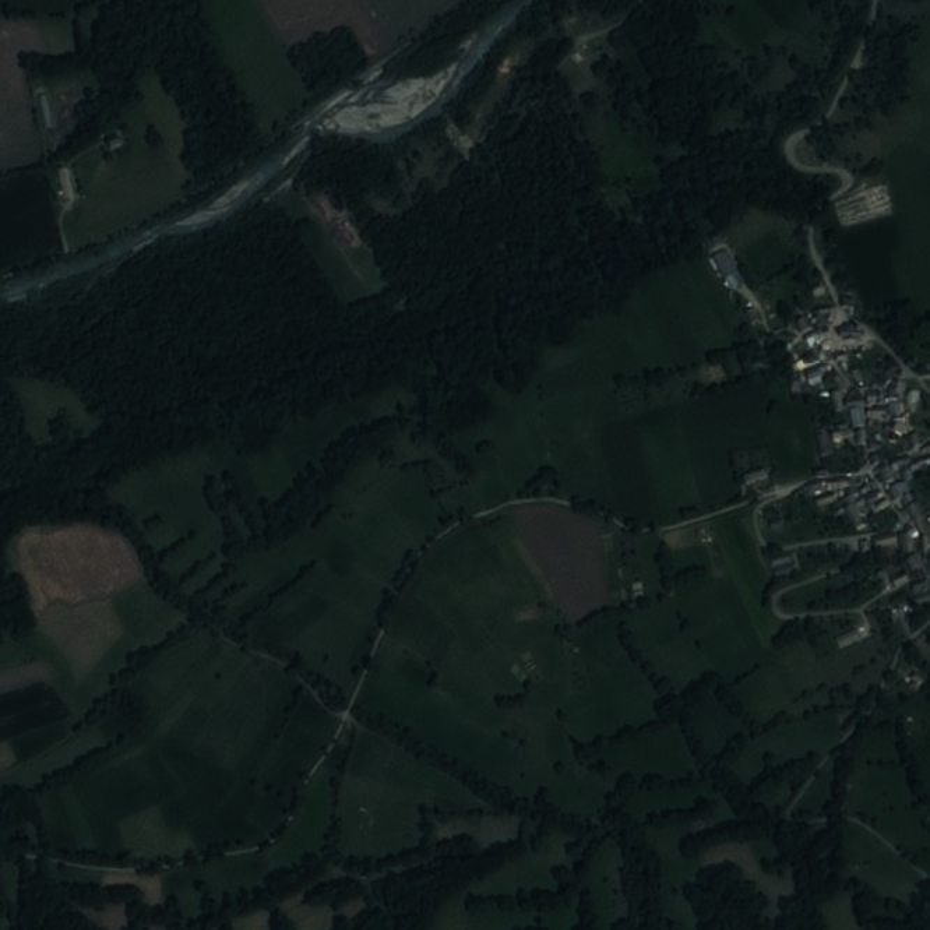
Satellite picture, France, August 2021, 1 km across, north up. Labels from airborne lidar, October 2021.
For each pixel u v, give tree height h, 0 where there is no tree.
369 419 0
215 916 19
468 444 0
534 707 0
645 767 0
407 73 6
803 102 10
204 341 9
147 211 0
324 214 0
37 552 0
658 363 0
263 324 12
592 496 0
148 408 20
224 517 10
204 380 22
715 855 0
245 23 0
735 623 0
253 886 0
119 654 0
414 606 0
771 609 8
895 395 0
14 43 0
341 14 0
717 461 0
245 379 14
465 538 0
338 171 15
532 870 0
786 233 0
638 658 9
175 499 0
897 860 0
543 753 0
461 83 0
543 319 31
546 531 0
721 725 0
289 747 0
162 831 0
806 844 21
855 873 0
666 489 0
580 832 20
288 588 9
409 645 0
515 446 0
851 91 0
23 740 0
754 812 21
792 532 0
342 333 18
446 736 0
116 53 19
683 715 21
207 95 9
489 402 20
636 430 0
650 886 18
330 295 9
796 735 0
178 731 0
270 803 0
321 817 0
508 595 0
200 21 10
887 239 0
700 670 0
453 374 40
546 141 30
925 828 8
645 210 10
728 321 0
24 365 9
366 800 0
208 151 23
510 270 20
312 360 23
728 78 8
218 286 11
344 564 0
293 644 0
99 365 19
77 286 6
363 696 0
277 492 0
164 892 0
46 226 0
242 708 0
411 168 17
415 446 14
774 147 8
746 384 8
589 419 0
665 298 0
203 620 19
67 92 0
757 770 0
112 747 11
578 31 0
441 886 23
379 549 0
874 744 0
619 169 0
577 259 16
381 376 29
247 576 0
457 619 0
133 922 10
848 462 6
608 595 0
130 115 0
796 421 0
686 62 19
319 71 10
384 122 0
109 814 0
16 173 9
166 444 32
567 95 8
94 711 9
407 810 0
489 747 0
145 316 14
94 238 0
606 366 0
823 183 10
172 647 12
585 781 0
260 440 24
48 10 0
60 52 0
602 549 0
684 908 0
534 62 7
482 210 12
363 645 0
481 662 0
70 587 0
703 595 0
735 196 10
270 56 0
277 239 11
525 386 10
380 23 0
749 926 12
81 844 0
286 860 0
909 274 0
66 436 17
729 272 0
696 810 8
